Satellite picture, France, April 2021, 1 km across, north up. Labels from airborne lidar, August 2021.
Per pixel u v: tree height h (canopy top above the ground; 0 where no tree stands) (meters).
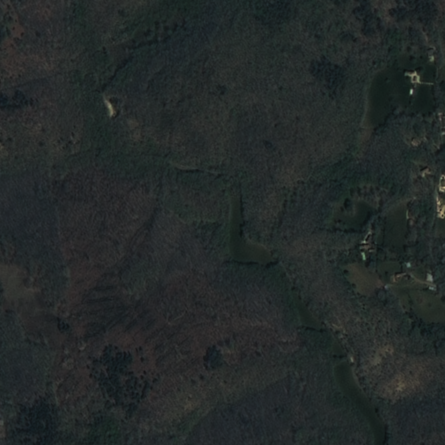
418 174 19
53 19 12
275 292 18
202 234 10
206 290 6
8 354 17
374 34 26
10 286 0
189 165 15
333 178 17
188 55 14
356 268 0
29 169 18
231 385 13
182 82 8
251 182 10
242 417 20
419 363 13
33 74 16
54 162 15
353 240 18
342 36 19
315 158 17
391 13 11
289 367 18
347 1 22
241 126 16
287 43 19
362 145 0
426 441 8
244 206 18
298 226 14
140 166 19
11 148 10
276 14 24
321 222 17
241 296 13
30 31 11
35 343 10
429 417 14
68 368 14
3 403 18
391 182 20
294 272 13
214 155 14
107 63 25
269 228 16
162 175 12
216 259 17
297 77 18
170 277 15
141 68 16
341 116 20
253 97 18
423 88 0
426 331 16
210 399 16
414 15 17
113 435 14
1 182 16
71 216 7
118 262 6
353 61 20
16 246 13
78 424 13
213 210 12
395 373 10
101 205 6
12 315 15
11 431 13
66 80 14
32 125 12
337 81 25
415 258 8
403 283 0
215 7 17
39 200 15
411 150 15
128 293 22
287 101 14
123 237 9
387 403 10
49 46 16
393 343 14
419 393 15
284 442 11
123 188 8
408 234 10
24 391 11
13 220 13
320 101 21
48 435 13
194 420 22
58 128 11
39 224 14
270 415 14
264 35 18
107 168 13
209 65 8
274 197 8
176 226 16
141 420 19
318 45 17
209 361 21
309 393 13
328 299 13
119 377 7
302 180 19
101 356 6
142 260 22
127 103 7
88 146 18
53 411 13
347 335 12
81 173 8
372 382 6
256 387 19
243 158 12
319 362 18
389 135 20
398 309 20
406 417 11
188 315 17
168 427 18
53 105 13
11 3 11
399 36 18
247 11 24
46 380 10
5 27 9
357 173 22
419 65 0
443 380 21
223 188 15
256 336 8
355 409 15
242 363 14
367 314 8
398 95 0
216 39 15
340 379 0
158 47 17
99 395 8
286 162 14
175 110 10
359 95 23
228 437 16
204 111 14
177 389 13
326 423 14
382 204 13
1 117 10
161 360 6
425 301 0
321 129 16
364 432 21
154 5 20
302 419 11
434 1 25
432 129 15
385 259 8
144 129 15
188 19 22
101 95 15
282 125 10
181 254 15
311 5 24
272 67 18
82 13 16
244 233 16
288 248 9
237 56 18
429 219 20
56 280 12
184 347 6
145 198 9
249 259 0
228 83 18
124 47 12
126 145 15
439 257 17
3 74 17
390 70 0
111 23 10
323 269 14
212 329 6
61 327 14
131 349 7
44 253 12
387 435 12
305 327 14
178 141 9
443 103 14
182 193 11
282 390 12
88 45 19
